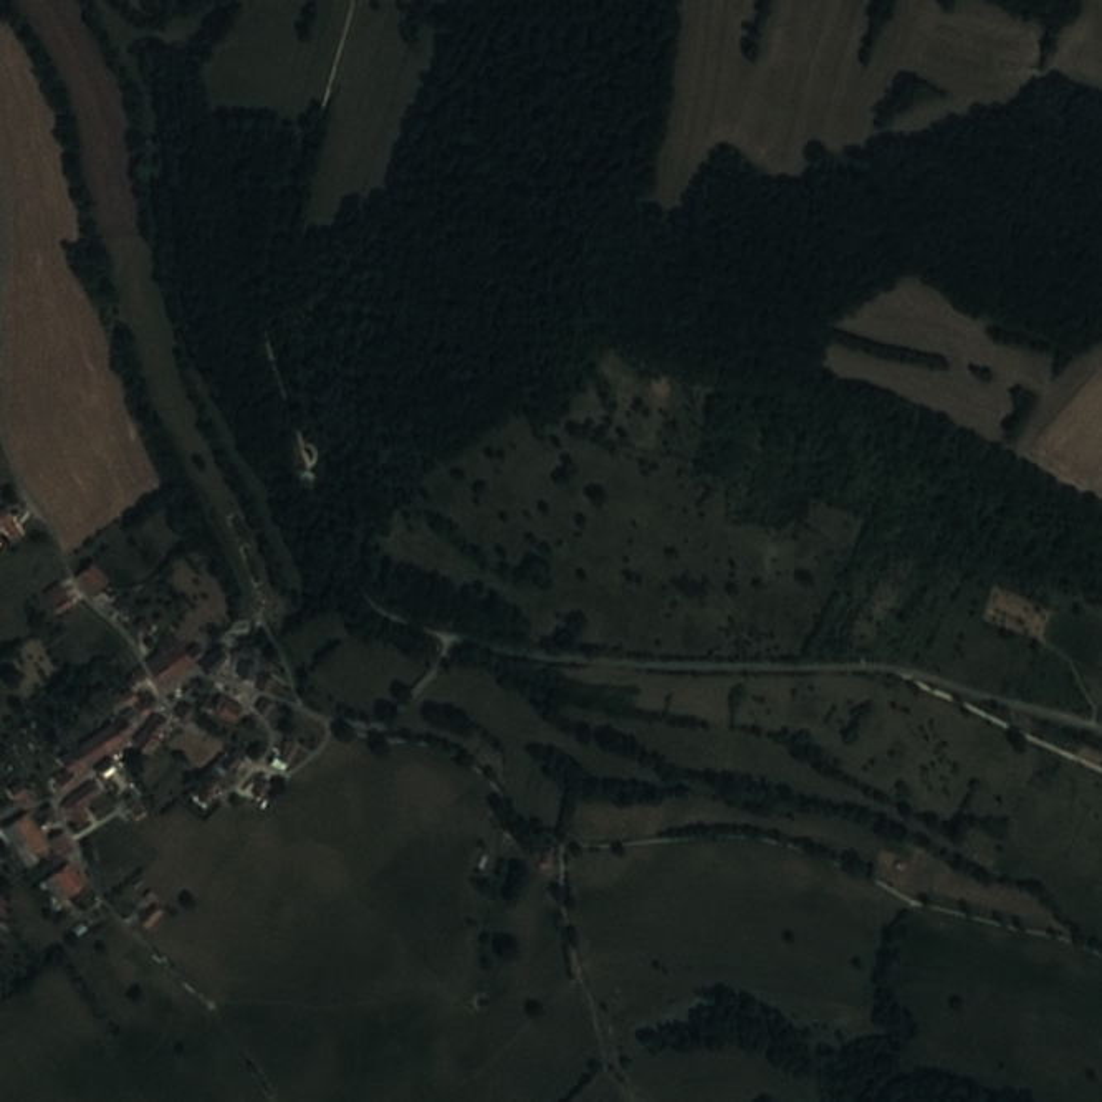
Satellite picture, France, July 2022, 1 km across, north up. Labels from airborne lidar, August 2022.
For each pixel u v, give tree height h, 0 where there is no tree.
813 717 0
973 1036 0
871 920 0
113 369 9
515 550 0
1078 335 17
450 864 0
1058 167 13
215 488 0
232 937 0
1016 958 0
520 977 0
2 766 0
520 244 19
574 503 0
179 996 0
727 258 23
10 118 0
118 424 0
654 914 0
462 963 0
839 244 18
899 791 8
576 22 25
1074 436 0
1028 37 0
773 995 0
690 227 29
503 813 15
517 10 20
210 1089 0
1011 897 0
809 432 11
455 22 22
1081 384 0
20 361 0
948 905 0
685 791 11
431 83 19
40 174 0
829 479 10
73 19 0
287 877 0
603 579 0
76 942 11
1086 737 12
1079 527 16
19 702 15
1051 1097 0
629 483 0
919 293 0
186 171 22
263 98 0
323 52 0
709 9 0
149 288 0
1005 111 18
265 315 18
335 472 14
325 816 0
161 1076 0
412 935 0
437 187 19
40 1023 0
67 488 0
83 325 0
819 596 0
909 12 0
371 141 0
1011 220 13
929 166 19
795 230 19
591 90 21
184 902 12
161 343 0
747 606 0
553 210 21
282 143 20
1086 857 0
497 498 0
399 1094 0
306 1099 0
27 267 0
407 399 17
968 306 17
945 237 18
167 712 0
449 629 17
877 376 0
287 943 0
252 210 20
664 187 0
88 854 8
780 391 16
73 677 9
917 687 13
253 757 7
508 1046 0
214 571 12
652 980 0
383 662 0
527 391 11
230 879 0
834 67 0
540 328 13
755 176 13
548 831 7
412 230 22
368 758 0
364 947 0
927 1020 0
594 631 0
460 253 18
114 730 0
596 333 18
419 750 0
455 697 0
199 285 21
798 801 18
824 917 0
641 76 21
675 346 14
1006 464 15
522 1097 0
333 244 18
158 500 11
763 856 0
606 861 0
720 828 7
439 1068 0
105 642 0
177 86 27
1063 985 0
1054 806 0
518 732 0
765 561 0
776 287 21
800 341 19
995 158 16
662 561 0
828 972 0
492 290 16
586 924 0
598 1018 0
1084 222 9
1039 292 19
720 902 0
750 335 19
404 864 0
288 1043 0
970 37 0
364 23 0
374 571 18
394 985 0
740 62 0
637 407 11
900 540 8
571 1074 0
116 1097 0
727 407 11
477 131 24
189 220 23
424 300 20
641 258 21
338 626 0
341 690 0
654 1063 0
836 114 0
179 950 0
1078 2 17
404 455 12
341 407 16
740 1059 0
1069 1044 0
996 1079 0
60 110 11
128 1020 0
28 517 0
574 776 18
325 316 19
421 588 21
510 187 22
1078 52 0
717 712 0
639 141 26
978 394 0
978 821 13
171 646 0
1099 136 15
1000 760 0
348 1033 0
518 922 0
